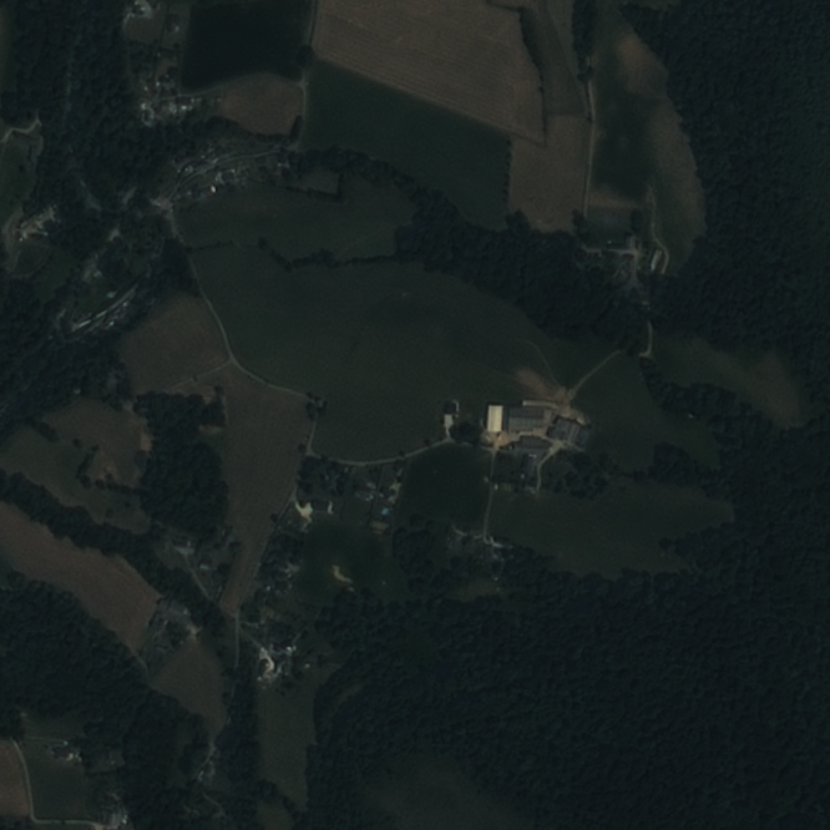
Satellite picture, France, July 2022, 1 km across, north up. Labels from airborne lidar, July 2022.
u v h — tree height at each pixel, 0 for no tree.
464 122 0
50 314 22
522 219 17
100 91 27
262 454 0
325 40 0
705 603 31
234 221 0
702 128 27
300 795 0
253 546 0
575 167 0
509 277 40
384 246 0
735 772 21
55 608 31
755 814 26
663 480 14
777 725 6
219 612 14
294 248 0
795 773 10
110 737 15
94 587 0
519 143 0
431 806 0
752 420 25
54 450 0
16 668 20
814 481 13
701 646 21
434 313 0
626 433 0
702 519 0
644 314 19
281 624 7
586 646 26
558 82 0
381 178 17
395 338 0
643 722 11
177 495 19
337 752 16
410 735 9
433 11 0
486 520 0
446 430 0
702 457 0
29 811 0
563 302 38
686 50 27
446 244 27
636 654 12
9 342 20
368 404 0
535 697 11
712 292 21
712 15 29
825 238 6
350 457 0
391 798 0
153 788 32
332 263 13
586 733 11
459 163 0
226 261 0
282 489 0
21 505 21
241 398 0
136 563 13
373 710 17
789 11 19
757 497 17
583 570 0
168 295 0
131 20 0
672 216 0
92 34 12
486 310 0
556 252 31
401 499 0
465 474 0
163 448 17
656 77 0
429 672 22
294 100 0
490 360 0
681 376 0
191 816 9
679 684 12
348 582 0
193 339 0
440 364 0
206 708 0
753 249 27
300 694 0
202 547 9
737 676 13
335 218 0
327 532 0
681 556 19
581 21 14
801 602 14
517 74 0
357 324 0
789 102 7
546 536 0
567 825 10
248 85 0
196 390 0
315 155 18
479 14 0
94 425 0
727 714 12
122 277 18
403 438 0
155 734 28
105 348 11
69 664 35
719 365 0
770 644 22
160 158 23
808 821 35
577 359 0
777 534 22
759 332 24
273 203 0
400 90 0
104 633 9
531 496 0
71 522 26
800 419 0
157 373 0
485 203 0
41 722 0
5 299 7
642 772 21
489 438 0
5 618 33
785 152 7
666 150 0
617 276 0
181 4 0
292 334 0
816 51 8
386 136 0
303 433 0
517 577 21
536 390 0
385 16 0
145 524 0
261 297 0
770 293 21
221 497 24
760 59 19
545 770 12
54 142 20
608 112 0
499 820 0
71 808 0
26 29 25
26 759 0
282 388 0
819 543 11
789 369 0
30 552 0
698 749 27
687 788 26
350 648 20
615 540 0
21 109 31
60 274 0
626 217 0
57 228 22
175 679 0
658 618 33
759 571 31
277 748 0
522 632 10
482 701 23
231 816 6
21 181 0
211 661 0
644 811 24
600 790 26
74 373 14
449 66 0
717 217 22
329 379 0
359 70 0
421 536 15
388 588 0
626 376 0
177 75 11
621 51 0
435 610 12
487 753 12
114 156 30
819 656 22
